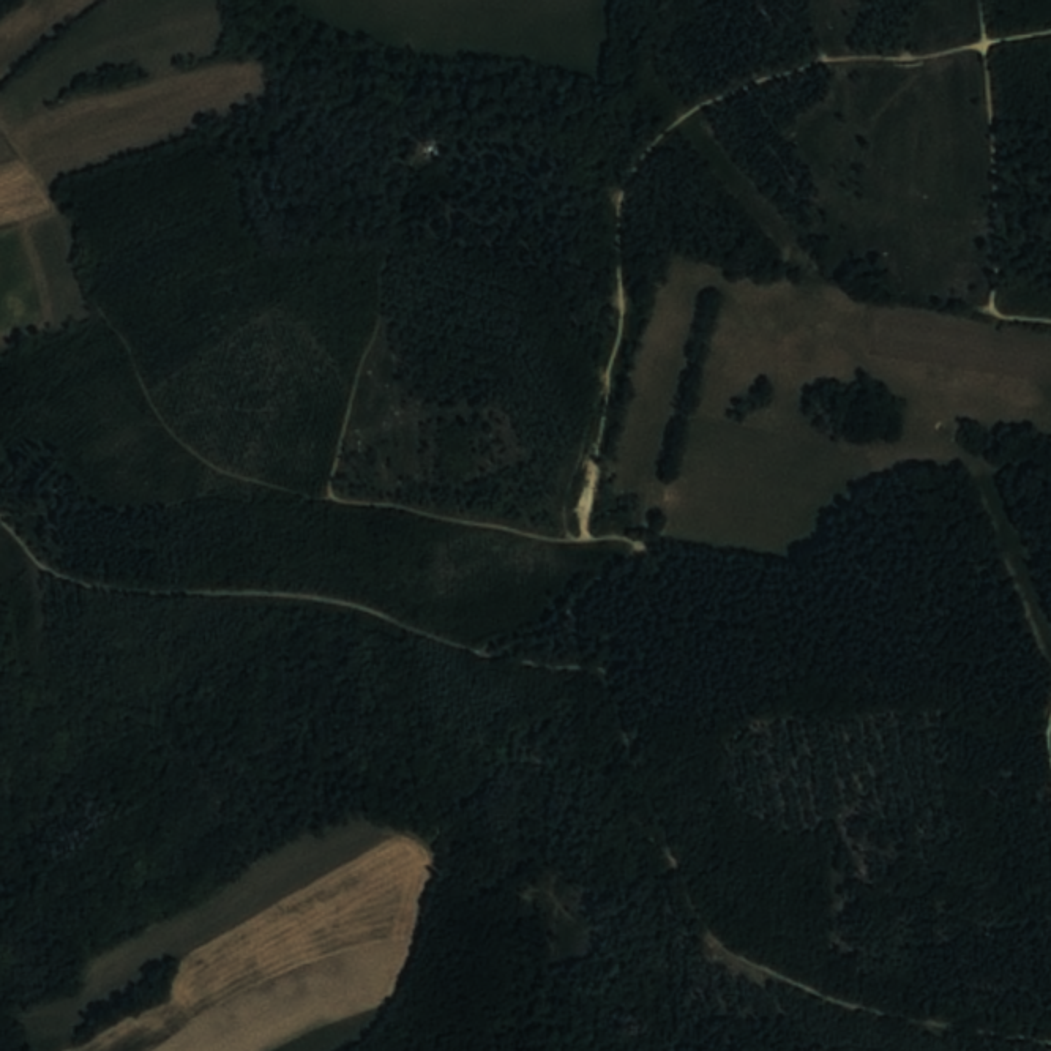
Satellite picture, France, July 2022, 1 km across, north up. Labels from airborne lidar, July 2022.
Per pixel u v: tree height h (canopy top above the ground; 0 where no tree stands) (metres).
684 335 0
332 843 0
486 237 22
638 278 27
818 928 15
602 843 23
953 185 0
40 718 16
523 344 20
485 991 25
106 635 11
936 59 0
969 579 24
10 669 11
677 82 14
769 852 14
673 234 15
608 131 18
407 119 25
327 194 26
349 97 12
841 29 0
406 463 0
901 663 23
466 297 19
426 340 12
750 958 13
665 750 15
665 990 12
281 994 0
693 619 26
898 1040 11
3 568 0
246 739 20
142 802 16
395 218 22
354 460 14
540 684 8
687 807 14
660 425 0
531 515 7
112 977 0
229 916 0
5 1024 21
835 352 0
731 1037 16
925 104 0
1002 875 20
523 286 17
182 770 15
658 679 24
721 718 15
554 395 18
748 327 0
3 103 0
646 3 25
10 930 16
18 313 0
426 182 8
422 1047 21
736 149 15
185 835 7
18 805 21
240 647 9
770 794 14
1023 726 15
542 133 8
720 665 25
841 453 0
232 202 6
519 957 23
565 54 0
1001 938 22
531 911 23
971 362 0
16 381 7
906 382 0
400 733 17
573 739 20
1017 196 26
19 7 13
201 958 0
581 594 21
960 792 13
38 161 0
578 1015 21
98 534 20
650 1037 9
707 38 14
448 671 11
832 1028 11
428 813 22
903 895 20
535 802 21
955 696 18
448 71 23
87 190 9
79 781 18
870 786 8
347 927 0
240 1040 0
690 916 16
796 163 14
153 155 9
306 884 0
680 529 0
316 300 6
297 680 22
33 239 0
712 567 30
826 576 32
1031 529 19
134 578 7
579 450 13
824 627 23
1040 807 16
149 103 0
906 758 15
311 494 7
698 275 0
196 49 0
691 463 0
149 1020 0
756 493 0
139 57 0
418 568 6
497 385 17
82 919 15
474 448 7
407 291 15
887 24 19
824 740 17
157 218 6
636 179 17
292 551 7
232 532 13
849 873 15
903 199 0
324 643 20
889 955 24
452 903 21
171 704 9
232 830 17
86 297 8
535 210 26
